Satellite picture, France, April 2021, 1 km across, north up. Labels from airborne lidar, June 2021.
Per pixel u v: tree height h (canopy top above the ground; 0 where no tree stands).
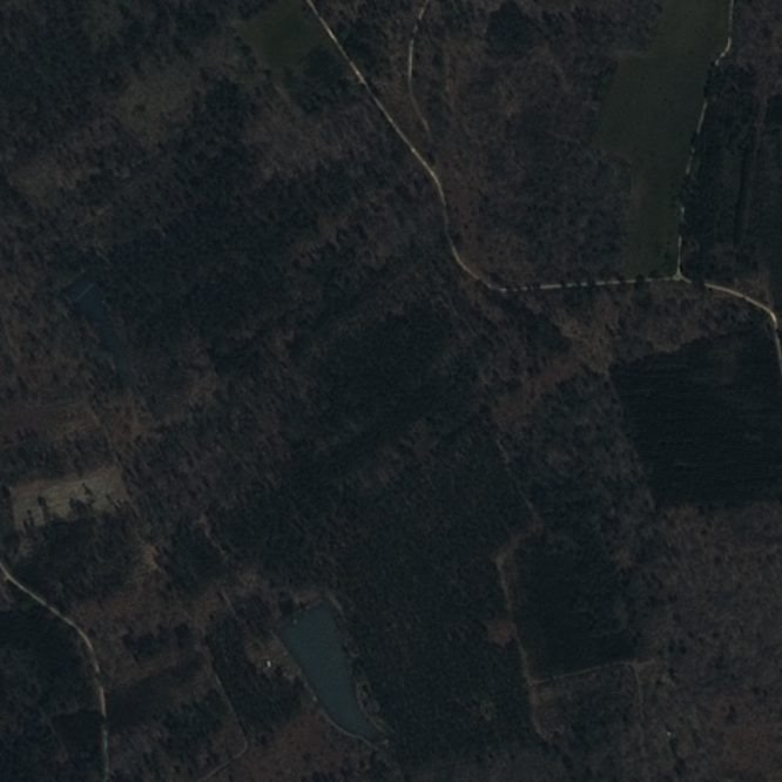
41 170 17
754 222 7
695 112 0
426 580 17
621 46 13
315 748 0
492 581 14
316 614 0
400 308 14
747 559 6
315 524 17
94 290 0
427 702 17
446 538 18
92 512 12
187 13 15
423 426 6
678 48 0
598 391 14
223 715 20
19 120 16
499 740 18
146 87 12
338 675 0
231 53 13
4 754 13
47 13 21
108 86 15
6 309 13
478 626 17
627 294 15
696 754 11
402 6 10
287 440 18
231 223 22
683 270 11
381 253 11
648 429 10
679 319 13
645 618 6
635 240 0
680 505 9
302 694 17
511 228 6
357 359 16
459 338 11
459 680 17
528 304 10
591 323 12
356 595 19
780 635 10
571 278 10
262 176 10
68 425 0
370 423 13
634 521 11
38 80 19
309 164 8
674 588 8
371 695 17
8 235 7
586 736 9
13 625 7
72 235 10
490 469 19
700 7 0
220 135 9
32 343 11
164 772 11
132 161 9
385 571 17
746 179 11
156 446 12
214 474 13
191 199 14
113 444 7
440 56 12
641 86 0
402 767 19
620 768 9
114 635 8
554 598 6
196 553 14
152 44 11
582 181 9
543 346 13
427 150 13
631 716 7
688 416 9
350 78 0
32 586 9
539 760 0
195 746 12
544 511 16
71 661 8
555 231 9
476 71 13
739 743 6
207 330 18
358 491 16
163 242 18
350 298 13
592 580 15
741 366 9
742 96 7
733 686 7
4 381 11
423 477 18
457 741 17
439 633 16
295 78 0
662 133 0
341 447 9
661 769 9
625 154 0
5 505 11
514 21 22
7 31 13
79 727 7
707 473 9
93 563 9
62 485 0
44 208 8
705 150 7
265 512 19
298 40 0
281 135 11
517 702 18
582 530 14
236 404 21
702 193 10
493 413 15
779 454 9
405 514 16
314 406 7
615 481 7
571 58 7
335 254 20
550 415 12
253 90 12
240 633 15
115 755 15
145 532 7
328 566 18
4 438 0
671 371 9
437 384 17
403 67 8
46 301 16
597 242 10
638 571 12
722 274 8
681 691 7
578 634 7
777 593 12
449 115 20
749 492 9
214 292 20
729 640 9
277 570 14
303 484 15
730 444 11
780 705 10
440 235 14
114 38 10
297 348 14
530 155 0
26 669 14
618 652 6
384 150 14
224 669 15
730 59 14
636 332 15
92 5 15
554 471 13
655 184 0
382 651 16
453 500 18
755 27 9
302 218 14
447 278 17
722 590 10
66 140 8
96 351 15
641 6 12
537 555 7
